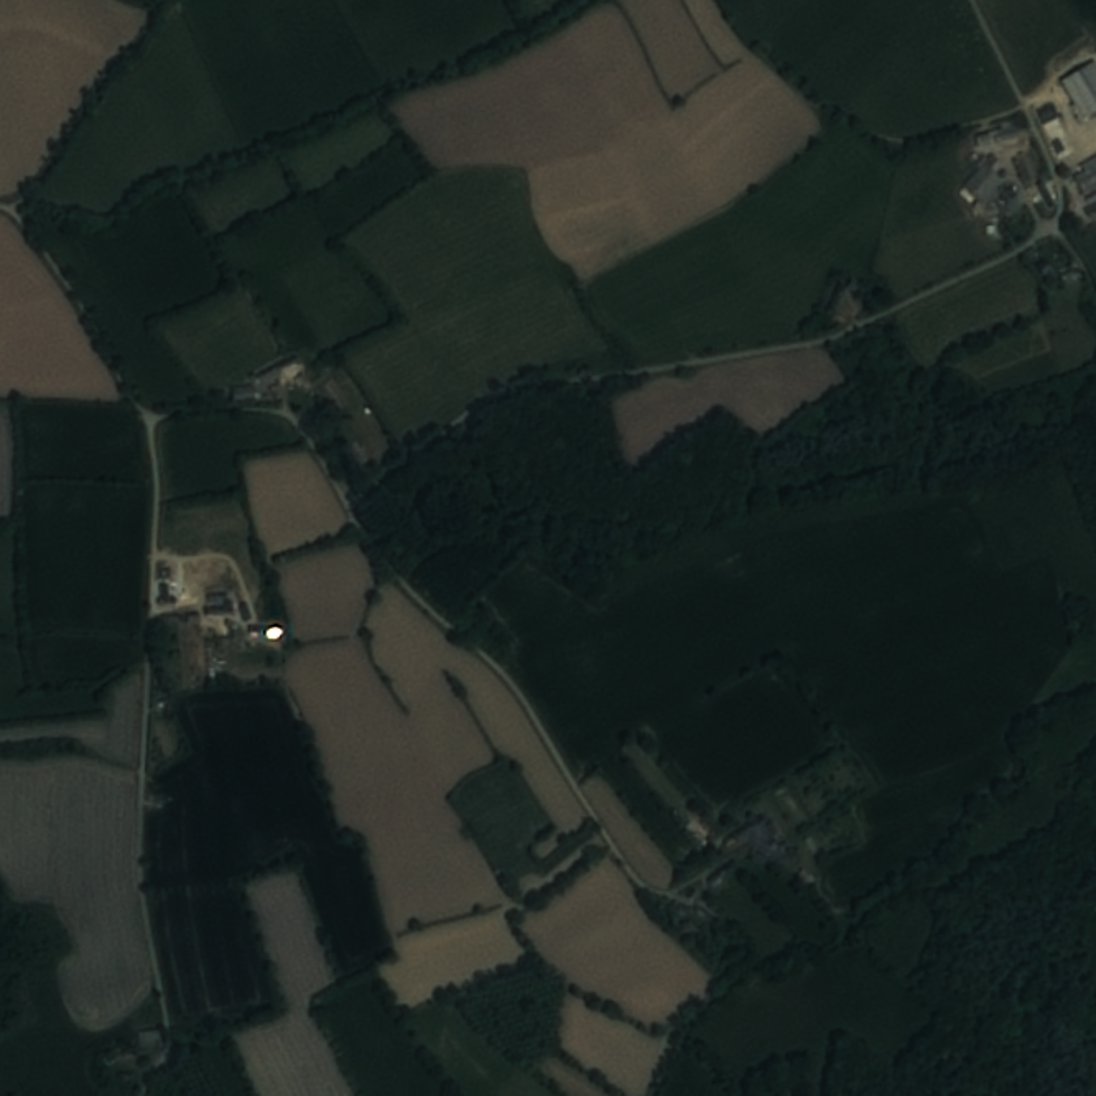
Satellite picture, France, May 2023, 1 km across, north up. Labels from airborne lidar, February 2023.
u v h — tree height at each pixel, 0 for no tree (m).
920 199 0
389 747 0
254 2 0
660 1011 0
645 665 0
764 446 19
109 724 0
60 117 0
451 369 0
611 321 0
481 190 0
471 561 12
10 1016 7
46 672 0
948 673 0
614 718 0
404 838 0
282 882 0
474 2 0
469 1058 0
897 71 0
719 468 23
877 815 0
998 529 0
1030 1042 22
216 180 13
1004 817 0
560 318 0
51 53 0
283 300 0
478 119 0
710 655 0
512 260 0
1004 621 0
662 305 0
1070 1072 25
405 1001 0
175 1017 0
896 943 0
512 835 0
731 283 0
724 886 0
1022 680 0
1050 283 9
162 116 0
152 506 0
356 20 0
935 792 0
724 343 0
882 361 11
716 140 0
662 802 10
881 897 13
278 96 0
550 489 21
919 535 0
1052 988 19
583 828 7
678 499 20
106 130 0
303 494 0
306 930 0
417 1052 7
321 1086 0
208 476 0
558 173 0
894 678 0
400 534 39
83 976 0
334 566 0
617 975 0
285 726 0
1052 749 0
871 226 0
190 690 0
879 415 16
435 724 0
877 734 0
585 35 0
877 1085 16
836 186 0
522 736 0
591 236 0
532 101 0
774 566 0
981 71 0
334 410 14
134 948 0
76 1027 0
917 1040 14
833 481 19
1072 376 8
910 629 0
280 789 0
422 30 0
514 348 0
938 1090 18
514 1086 0
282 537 0
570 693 0
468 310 0
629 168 0
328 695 0
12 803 0
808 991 0
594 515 13
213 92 0
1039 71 0
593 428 16
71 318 0
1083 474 18
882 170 0
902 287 0
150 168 0
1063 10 0
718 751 0
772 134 0
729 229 0
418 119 0
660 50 0
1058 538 0
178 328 0
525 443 20
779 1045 0
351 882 0
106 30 0
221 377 0
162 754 6
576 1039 0
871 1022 0
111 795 0
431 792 0
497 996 27
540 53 0
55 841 0
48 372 0
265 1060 0
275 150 9
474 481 7
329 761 0
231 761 0
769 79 0
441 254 0
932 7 0
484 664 0
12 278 0
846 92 0
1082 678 0
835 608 0
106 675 6
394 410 0
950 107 0
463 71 12
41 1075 0
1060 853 20
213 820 0
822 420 10
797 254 0
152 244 0
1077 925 18
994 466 22
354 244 0
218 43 0
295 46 0
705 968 8
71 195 0
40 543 0
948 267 0
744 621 0
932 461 21
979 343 12
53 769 0
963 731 0
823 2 0
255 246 0
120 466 0
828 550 0
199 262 0
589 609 0
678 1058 11
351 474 31
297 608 0
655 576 0
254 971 0
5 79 0
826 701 0
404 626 0
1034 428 7
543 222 0
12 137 0
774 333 0
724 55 0
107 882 0
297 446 7
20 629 10
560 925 0
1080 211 0
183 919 0
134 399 8
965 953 22
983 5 0
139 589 0
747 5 0
